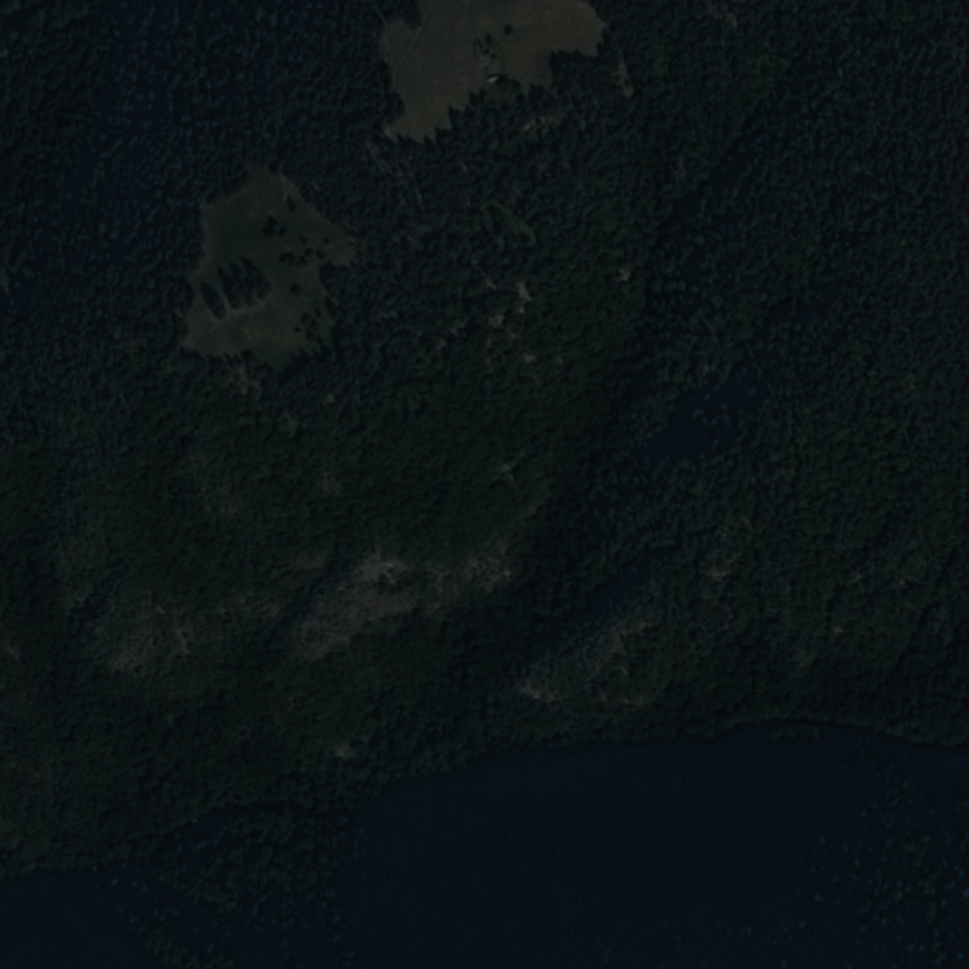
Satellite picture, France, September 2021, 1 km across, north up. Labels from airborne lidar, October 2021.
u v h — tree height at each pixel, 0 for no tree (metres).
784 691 34
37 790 16
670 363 19
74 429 17
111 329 24
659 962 21
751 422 19
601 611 14
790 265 27
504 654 32
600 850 20
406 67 0
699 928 20
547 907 21
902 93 24
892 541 34
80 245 28
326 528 28
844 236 13
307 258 9
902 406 23
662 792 25
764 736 18
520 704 19
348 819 25
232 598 18
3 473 25
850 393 25
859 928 15
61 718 28
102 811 38
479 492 29
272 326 0
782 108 15
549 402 24
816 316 16
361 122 25
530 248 23
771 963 15
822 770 23
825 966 22
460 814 24
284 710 23
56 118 17
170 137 31
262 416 11
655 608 21
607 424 29
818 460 24
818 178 13
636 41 26
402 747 31
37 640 25
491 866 24
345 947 29
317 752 13
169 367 19
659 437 31
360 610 12
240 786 35
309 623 9
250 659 36
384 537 13
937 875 29
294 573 15
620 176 25
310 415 22
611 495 29
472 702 29
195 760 32
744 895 21
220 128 15
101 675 20
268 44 10
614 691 21
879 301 10
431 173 25
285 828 29
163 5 25
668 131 7
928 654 27
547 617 26
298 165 26
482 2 0
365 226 28
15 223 14
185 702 23
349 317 28
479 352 24
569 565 26
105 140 21
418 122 0
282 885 28
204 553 32
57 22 15
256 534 18
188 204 16
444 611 17
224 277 0
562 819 18
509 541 15
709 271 18
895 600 19
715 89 15
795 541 45
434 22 0
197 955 28
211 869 28
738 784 29
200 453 9
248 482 23
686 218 36
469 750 28
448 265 26
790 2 10
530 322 22
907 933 22
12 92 13
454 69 0
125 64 27
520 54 0
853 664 27
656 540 29
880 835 19
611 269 24
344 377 25
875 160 22
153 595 20
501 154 8
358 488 28
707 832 24
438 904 34
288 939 25
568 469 32
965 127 7
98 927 33
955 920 24
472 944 27
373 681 13
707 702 31
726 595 23
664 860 13
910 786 23
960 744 12
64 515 20
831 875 26
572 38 0
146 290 24
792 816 29
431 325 25
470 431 26
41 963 31
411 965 24
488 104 9
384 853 14
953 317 31
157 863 33
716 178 21
